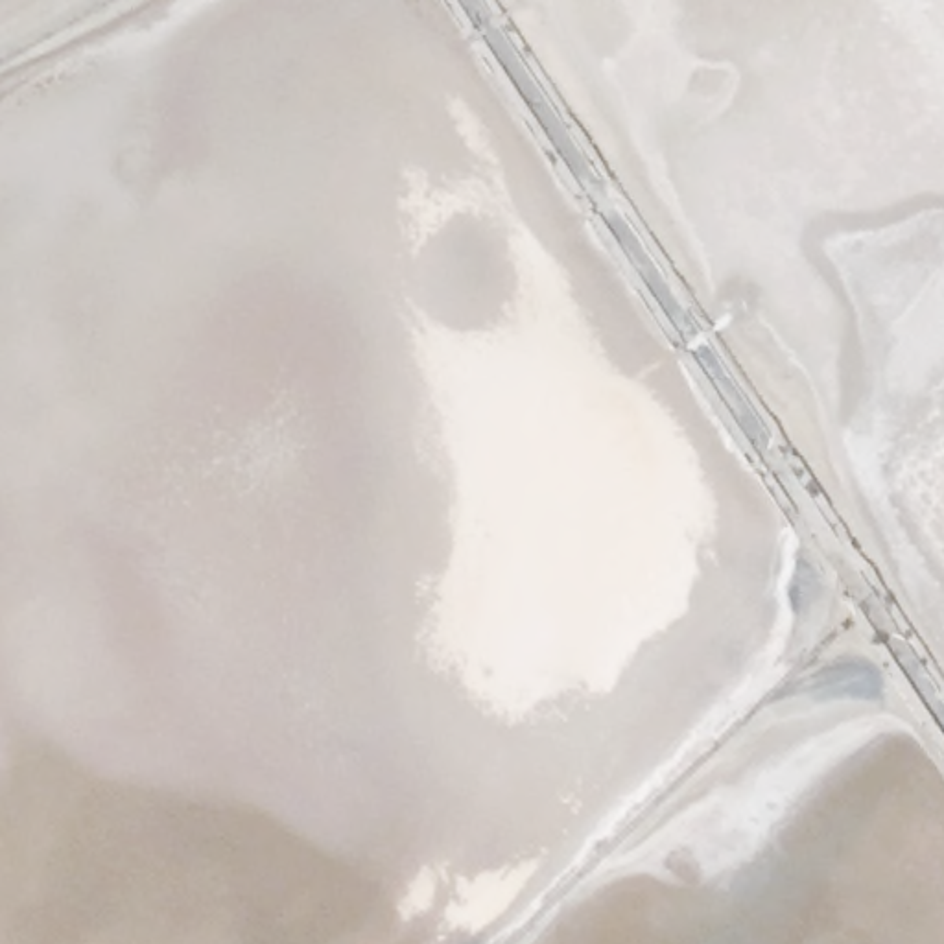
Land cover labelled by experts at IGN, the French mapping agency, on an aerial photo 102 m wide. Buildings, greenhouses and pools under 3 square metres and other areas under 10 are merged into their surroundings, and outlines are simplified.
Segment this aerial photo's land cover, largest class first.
<instances>
[{"label":"water","instance_id":"1","mask_svg":"<svg viewBox=\"0 0 944 944\"><path fill-rule=\"evenodd\" d=\"M81 89V96L74 100L44 96L37 107L26 111L11 107L7 100L0 103V944H479L472 929H457L446 922V907L461 903V878L513 870L535 859L538 848H564L572 856L579 848L583 833L682 741V734L701 719V712L712 708L719 693H726L745 675L749 656L767 645L774 623L771 579L778 575L782 549L778 531L771 527V516L756 498L752 483L738 472L734 457L723 450L712 424L690 398L679 376V350L664 354L656 339L642 328L620 280L586 243L575 214L561 203L553 181L535 162V151L516 133L502 100L476 70L472 52L461 44L454 22L435 7V0H218L192 15L159 48L92 59L85 70H74ZM450 100H465L483 136L494 144L513 195V210L542 243V251L564 269L572 302L579 306L590 336L601 343L605 361L620 376L642 384L653 395V402L667 409L679 435L693 446L701 479L715 502V524L693 549L697 572L690 583L686 612L675 616L664 631L638 642V649L620 667L612 690L597 693L583 682L579 690H561L535 701L520 719L494 715L490 701L472 697V690L461 682L454 653L435 638L439 620L431 612L439 601L443 572L454 553L450 509L457 502V479L450 450L443 443V417L417 365L413 339L431 332L435 325L450 332L498 328L502 302L516 299V266L509 236L502 229H490L483 218L454 214L428 236V243L417 254L409 251V236L398 229V199L409 195L402 170H424L435 192H454L457 181L472 173V151L465 148L450 118ZM420 867L431 874V903L420 915L402 918L398 900L409 892V881ZM538 944H944V774L911 738H870L867 745L852 749L833 767H826L789 804L785 819L767 833L752 859L738 863L734 870L704 878L690 848H675L653 878H616L590 900L564 911Z\"/></svg>","mask_w":944,"mask_h":944},{"label":"pervious surface","instance_id":"2","mask_svg":"<svg viewBox=\"0 0 944 944\"><path fill-rule=\"evenodd\" d=\"M218 0H0V103L7 100L11 107L26 111L37 107L44 96L74 100L81 96V89L74 70H85L92 59L159 48L192 15ZM435 7L454 22L461 44L472 52L476 70L502 100L516 133L535 151V162L553 181L561 203L575 214L586 243L620 280L642 328L656 339L664 354L679 350V376L690 398L712 424L723 450L734 457L738 472L752 483L756 498L771 516V527L778 531L782 549L778 575L771 579L774 623L767 645L749 656L745 675L726 693H719L712 708L701 712V719L682 734V741L583 833L579 848L572 856L564 848H538L535 859L513 870L461 878V903L446 907V922L457 929H472L479 944H538L564 911L590 900L616 878H653L675 848H690L704 878L734 870L738 863L752 859L767 833L785 819L789 804L826 767H833L852 749L867 745L870 738H911L944 774V0H435ZM450 118L465 148L472 151V173L457 181L454 192H435L424 170H402L409 195L398 199V229L409 236V251L417 254L428 243V236L454 214L483 218L490 229H502L509 236L516 266V299L502 302L498 328L450 332L435 325L431 332L413 339L417 365L443 417V443L450 450L457 479V502L450 509L454 553L443 572L439 601L431 612L439 620L435 638L454 653L461 682L472 690V697L490 701L494 715L520 719L535 701L561 690H579L583 682L597 693L612 690L620 667L638 649V642L664 631L675 616L686 612L690 583L697 572L693 549L715 524V502L701 479L693 446L679 435L667 409L653 402V395L642 384L620 376L605 361L601 343L590 336L579 306L572 302L564 269L542 251V243L513 210V195L494 144L483 136L465 100H450ZM431 874L420 867L409 881V892L398 900L402 918L420 915L431 903Z\"/></svg>","mask_w":944,"mask_h":944}]
</instances>
